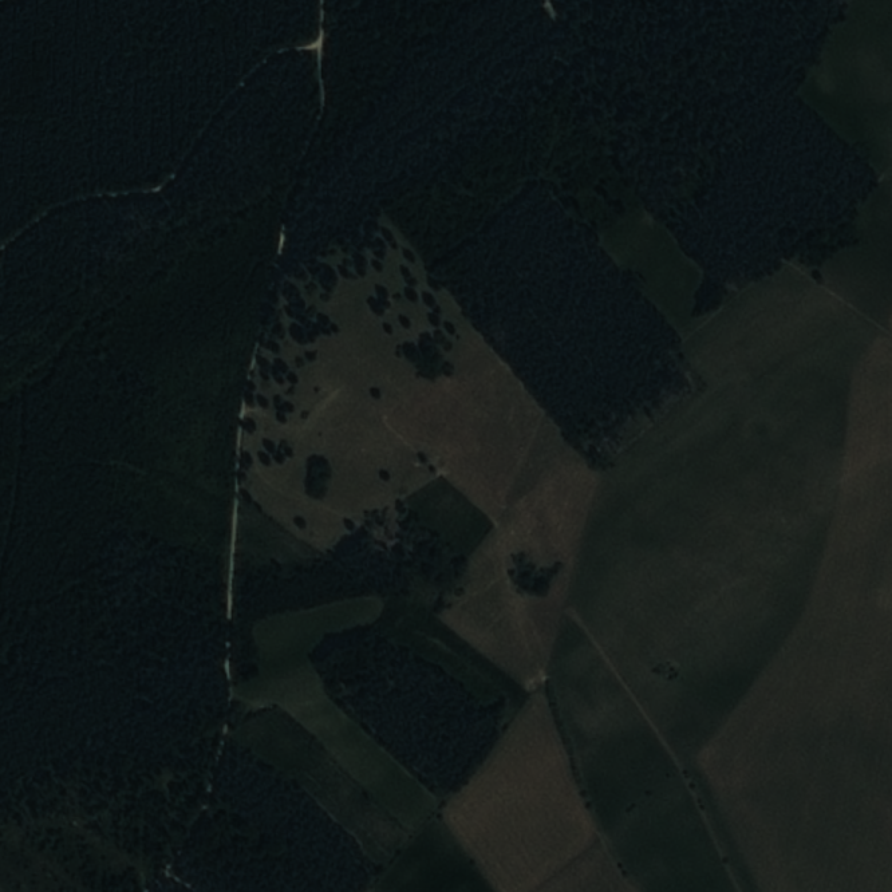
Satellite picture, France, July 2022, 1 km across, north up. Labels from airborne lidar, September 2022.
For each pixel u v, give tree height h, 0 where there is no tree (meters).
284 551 0
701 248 26
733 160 21
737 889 0
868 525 0
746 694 0
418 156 31
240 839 11
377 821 0
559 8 21
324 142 15
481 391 0
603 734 0
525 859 0
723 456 0
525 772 0
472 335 0
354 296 0
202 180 14
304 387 0
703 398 0
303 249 26
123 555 25
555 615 0
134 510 6
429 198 7
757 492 0
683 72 30
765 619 0
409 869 0
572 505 0
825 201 24
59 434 12
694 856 0
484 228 12
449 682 19
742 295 0
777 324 0
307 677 0
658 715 0
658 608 0
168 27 7
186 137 13
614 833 0
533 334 18
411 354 23
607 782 0
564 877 0
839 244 15
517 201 14
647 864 0
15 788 19
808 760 0
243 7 13
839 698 0
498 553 0
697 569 0
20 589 11
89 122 14
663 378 21
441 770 21
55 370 12
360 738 0
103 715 9
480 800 0
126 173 14
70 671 17
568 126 6
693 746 0
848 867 0
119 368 11
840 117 0
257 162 16
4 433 15
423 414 0
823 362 0
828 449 0
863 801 0
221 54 12
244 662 6
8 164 16
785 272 0
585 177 8
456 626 0
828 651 0
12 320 8
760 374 0
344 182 27
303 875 14
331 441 0
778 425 0
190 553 11
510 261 14
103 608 20
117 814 12
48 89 14
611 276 26
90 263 14
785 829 0
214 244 12
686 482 0
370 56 13
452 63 23
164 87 14
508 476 0
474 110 28
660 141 26
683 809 0
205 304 7
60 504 11
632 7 23
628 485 0
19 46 16
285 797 18
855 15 0
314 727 0
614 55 27
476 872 0
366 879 18
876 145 0
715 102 31
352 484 0
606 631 0
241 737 0
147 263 17
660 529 0
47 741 13
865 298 0
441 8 24
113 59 13
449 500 0
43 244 16
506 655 0
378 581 28
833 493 0
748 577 0
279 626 0
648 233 0
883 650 0
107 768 16
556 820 0
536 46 27
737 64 19
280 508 0
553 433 0
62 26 18
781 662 0
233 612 6
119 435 10
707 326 0
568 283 27
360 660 18
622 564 0
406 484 0
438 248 7
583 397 25
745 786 0
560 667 0
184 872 21
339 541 0
